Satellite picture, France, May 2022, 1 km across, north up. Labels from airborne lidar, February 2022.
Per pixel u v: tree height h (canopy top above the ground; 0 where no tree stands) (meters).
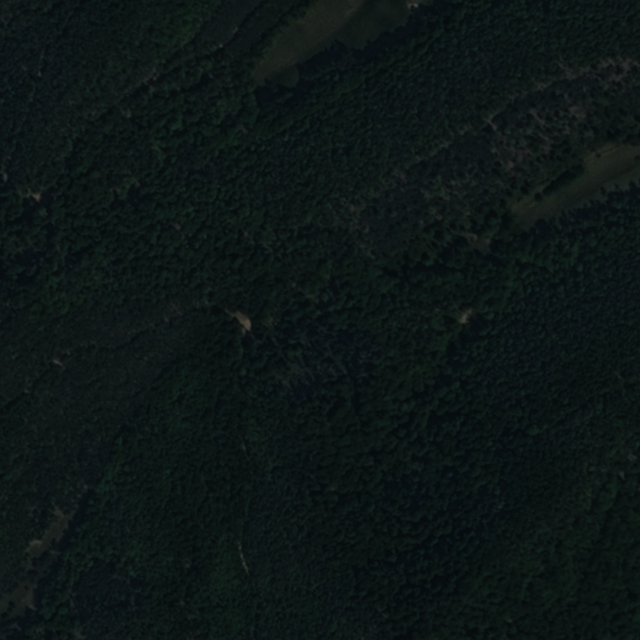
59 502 29
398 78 30
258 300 25
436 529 17
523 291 34
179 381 21
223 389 25
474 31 31
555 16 32
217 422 25
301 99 30
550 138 33
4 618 11
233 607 23
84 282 24
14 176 28
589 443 21
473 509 32
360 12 0
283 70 0
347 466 34
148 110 34
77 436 28
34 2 27
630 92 10
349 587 22
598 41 28
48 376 19
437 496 32
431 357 38
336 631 24
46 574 8
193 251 31
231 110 35
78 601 9
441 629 21
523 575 29
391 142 27
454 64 32
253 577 22
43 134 22
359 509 37
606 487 22
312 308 27
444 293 31
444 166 10
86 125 28
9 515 28
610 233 0
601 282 31
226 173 29
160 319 18
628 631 35
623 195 33
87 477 31
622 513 32
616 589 35
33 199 0
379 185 26
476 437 34
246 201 31
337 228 24
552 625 34
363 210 7
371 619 19
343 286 38
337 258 31
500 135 26
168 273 27
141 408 25
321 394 18
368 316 31
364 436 38
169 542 24
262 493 24
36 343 23
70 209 34
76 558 26
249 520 21
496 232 32
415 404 40
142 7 23
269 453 23
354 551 15
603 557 32
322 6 0
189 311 21
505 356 30
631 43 25
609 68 8
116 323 20
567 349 26
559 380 26
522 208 0
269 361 13
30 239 37
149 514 26
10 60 29
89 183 30
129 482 28
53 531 0
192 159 32
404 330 31
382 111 26
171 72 22
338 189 25
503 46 29
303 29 0
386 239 13
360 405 38
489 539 29
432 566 25
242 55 20
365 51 0
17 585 15
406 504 14
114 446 31
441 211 26
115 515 26
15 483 22
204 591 21
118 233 32
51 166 26
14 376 22
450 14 30
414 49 31
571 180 20
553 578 28
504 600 33
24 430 22
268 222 30
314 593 16
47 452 24
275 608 19
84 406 23
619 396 25
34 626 25
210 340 27
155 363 25
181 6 0
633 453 23
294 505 24
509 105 10
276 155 30
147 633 25
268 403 25
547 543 28
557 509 22
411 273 38
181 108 31
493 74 27
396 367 30
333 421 34
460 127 23
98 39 23
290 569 19
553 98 26
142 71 24
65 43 27
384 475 33
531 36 31
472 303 37
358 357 33
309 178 27
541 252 33
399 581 14
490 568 26
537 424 32
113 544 28
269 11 17
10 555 20
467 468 36
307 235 28
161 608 22
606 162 0
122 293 22
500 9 32
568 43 29
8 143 29
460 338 11
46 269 37
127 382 23
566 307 31
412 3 0
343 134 27
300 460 20
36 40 28
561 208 0
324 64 29
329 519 30
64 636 13
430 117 26
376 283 37
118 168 29
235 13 17
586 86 7
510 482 32
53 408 22
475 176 27
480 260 28
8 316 19
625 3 28
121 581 6
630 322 23
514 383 27
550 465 28
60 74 25
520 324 33
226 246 30
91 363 19
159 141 0
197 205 33
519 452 29
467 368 35
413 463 29
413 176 10
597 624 37
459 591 28
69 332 24
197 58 23
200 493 27
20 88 29
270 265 28
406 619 27
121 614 23
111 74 27
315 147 29
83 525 26
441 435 38
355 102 29
